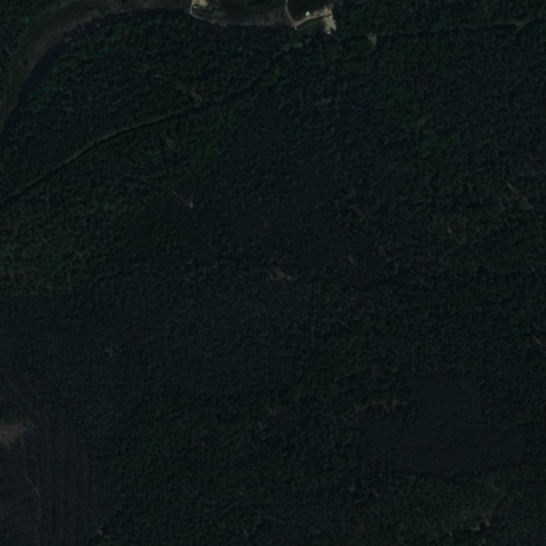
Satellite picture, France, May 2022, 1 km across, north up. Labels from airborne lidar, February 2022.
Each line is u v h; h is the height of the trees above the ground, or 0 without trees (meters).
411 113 28
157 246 13
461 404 18
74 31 0
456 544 27
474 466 13
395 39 18
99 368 22
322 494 24
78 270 26
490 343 24
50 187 9
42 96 19
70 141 10
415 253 27
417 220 24
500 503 19
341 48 28
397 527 23
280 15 0
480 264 28
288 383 24
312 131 12
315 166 10
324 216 10
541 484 20
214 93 16
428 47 26
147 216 10
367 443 14
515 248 27
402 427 15
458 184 27
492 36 21
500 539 21
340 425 25
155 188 8
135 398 23
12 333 21
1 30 32
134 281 23
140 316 21
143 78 10
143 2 0
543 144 23
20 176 12
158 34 16
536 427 16
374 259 12
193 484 26
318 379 25
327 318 14
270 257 18
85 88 11
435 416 16
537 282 29
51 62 23
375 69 27
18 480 16
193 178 11
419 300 32
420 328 25
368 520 23
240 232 12
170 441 29
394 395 23
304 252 16
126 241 8
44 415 19
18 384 19
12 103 0
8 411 21
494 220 33
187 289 20
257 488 25
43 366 23
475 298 27
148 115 11
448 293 26
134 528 23
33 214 28
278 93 13
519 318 27
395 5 14
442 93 23
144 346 23
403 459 13
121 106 9
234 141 18
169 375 23
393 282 9
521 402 26
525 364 30
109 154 9
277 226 12
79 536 17
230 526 21
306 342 29
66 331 23
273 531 20
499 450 13
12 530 17
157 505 27
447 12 21
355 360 24
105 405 18
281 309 26
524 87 25
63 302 21
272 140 14
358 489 25
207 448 27
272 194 11
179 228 12
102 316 25
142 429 27
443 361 29
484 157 28
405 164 26
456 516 25
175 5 0
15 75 0
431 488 26
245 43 17
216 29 13
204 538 24
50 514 16
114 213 9
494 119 26
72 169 7
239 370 27
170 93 14
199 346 24
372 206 28
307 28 0
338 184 14
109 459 24
